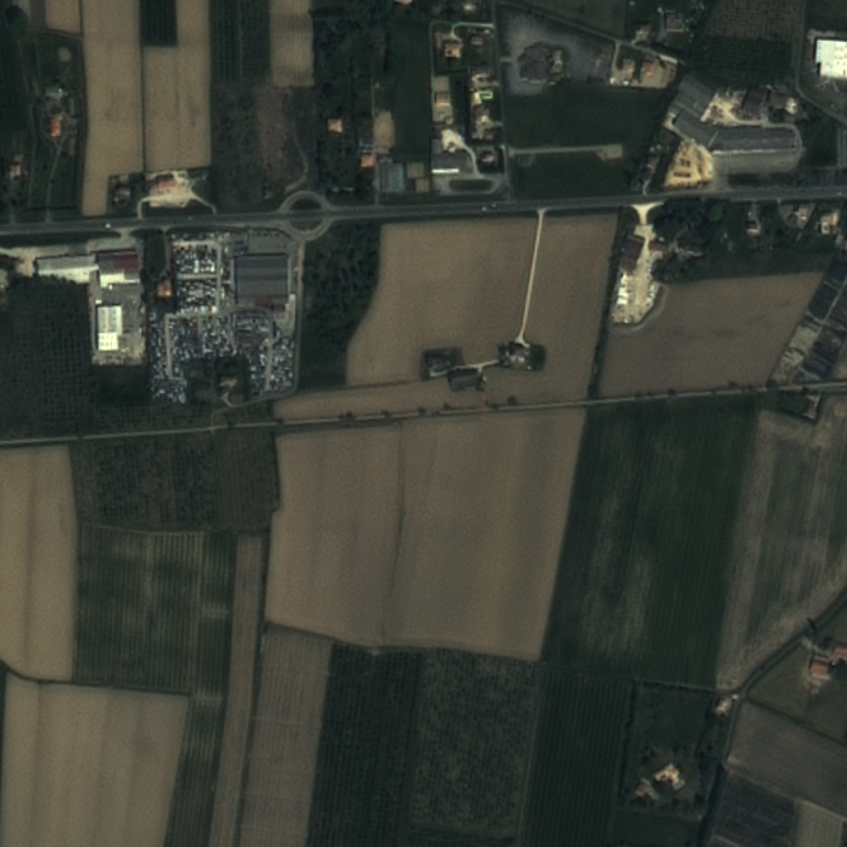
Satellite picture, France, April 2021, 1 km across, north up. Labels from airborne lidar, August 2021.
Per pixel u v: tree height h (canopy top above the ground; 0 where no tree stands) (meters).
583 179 0
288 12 0
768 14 7
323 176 11
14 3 0
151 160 0
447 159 0
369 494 0
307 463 0
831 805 0
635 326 0
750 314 0
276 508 0
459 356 0
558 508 0
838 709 0
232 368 9
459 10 9
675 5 0
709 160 0
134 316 0
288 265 0
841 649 0
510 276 0
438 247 0
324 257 10
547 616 0
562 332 0
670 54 11
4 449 0
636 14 0
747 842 0
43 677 0
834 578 0
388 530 0
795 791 0
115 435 0
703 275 0
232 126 6
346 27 11
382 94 0
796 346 0
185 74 0
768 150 0
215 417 0
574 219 0
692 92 0
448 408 6
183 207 0
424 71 0
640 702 9
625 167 0
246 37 7
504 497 0
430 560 0
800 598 0
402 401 0
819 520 0
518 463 0
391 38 10
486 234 0
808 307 0
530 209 0
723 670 0
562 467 0
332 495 0
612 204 0
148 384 9
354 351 0
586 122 0
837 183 0
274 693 0
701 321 0
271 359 0
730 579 0
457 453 0
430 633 0
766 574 0
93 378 14
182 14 0
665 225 16
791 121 0
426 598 0
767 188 0
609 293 5
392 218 0
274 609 0
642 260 0
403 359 0
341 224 0
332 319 7
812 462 0
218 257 0
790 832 0
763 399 0
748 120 0
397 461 0
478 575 0
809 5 0
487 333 0
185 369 17
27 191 7
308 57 0
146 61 0
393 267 0
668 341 0
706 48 6
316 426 0
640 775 0
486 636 0
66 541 0
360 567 0
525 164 0
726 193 0
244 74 8
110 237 0
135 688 0
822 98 0
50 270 0
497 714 6
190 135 0
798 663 0
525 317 0
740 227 0
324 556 0
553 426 0
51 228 0
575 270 0
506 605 0
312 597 0
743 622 0
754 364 0
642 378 0
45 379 6
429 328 0
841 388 0
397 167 0
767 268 0
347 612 0
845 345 0
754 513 0
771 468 0
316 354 0
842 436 0
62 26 0
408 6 6
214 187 0
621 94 0
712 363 0
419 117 0
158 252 0
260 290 0
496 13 0
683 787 0
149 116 0
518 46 0
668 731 0
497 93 0
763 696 0
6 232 0
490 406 7
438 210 0
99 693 0
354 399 0
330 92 11
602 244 0
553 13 0
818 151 0
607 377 0
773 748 0
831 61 0
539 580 0
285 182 0
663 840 0
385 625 0
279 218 0
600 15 0
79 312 7
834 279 0
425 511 0
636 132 0
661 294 0
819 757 0
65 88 9
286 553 0
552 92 0
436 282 0
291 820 0
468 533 0
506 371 0
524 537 0
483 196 0
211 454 0
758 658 0
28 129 6
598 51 0
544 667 0
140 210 0
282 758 0
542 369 0
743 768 0
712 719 11
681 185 0
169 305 13
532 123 0
